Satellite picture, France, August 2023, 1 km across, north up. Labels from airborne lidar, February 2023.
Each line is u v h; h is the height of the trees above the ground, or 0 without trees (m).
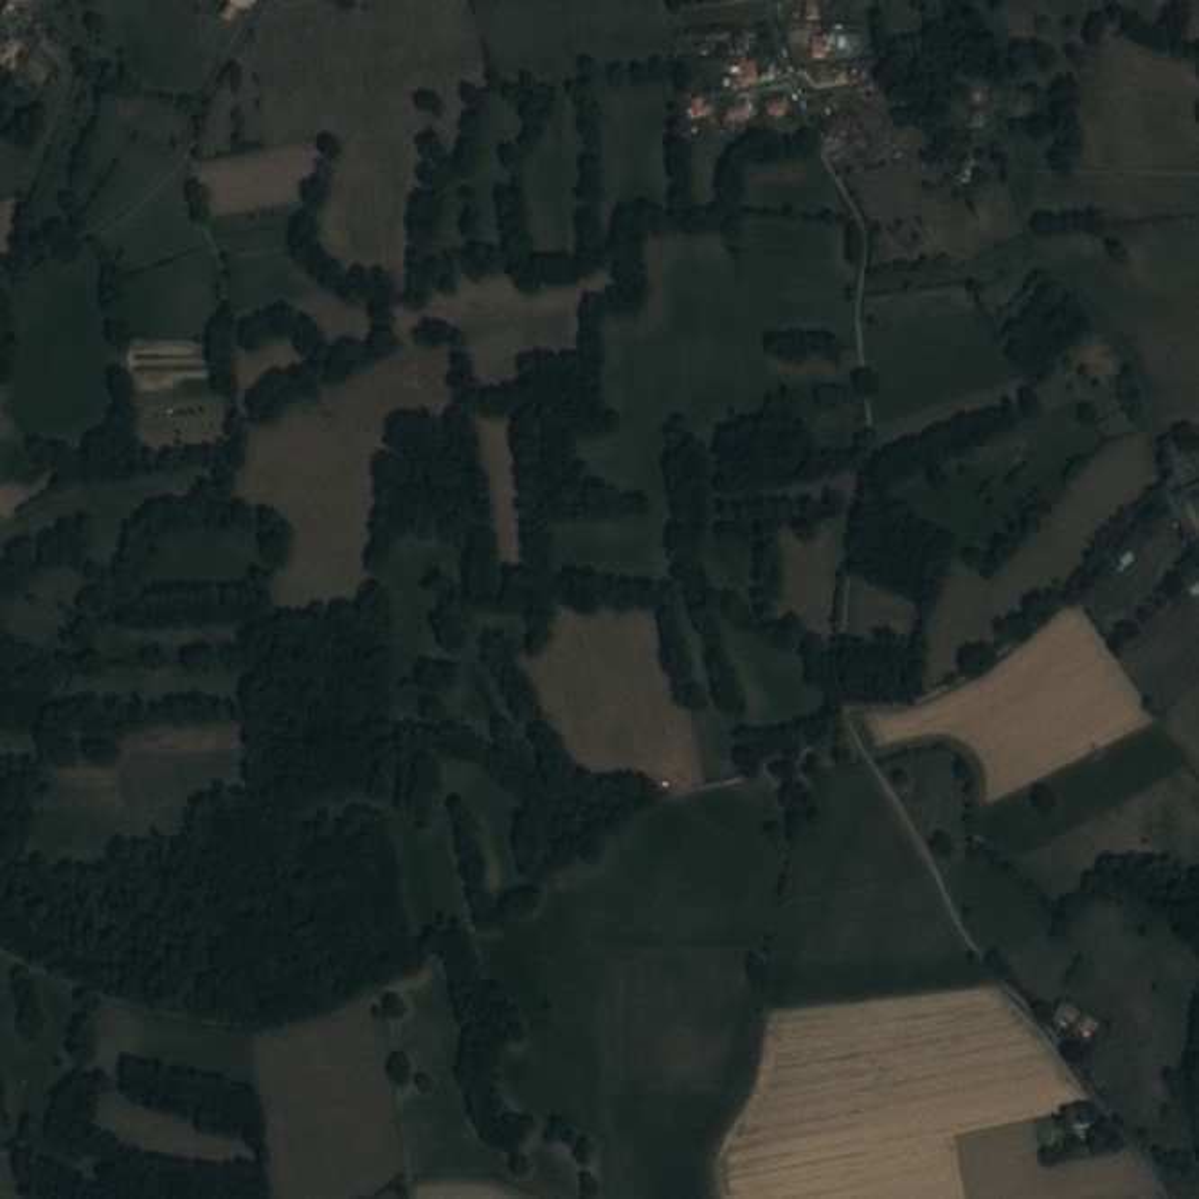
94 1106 19
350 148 0
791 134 0
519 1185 0
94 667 25
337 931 22
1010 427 17
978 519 0
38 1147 13
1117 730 0
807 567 0
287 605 0
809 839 0
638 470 0
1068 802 0
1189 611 0
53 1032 0
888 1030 0
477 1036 19
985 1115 0
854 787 0
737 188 25
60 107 0
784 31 0
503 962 0
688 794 0
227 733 0
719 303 0
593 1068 0
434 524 28
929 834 0
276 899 23
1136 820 0
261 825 19
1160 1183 0
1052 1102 0
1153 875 23
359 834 20
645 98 0
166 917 20
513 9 0
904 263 9
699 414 0
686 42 0
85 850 0
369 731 20
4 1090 15
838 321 0
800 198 0
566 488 21
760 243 0
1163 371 0
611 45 0
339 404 0
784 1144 0
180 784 0
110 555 0
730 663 24
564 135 0
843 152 0
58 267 0
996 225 0
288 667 28
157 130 0
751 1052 0
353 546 0
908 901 0
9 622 0
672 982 0
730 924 0
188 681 0
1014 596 0
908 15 0
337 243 0
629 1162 0
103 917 27
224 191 0
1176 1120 13
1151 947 0
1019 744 0
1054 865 0
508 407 22
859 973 0
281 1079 0
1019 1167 0
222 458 13
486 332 0
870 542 19
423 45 0
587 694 0
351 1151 0
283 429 0
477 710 0
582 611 17
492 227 0
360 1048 0
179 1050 0
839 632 9
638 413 0
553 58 0
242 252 0
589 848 23
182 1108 18
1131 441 0
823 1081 0
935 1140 0
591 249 22
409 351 0
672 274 0
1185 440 14
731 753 0
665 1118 0
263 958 20
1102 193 0
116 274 15
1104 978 0
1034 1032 0
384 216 0
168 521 22
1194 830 0
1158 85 0
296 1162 0
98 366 0
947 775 0
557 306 0
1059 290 13
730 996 0
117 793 0
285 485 0
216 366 17
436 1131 0
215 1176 21
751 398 0
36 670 19
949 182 5
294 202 0
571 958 0
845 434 0
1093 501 0
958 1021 0
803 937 0
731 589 0
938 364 0
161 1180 23
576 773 18
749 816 0
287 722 23
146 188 0
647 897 0
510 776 26
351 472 0
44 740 22
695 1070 0
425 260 19
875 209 0
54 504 0
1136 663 0
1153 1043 0
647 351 0
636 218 21
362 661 26
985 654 17
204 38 0
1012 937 0
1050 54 24
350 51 0
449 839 0
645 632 0
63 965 16
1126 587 0
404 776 15
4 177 0
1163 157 0
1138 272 0
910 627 0
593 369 17
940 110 14
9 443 0
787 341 18
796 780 16
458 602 16
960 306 0
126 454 22
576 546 0
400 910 19
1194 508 0
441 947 17
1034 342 17
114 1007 0
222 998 21
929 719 0
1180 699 0
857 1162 0
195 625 11
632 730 0
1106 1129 17
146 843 8
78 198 9
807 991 0
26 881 19
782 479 20
